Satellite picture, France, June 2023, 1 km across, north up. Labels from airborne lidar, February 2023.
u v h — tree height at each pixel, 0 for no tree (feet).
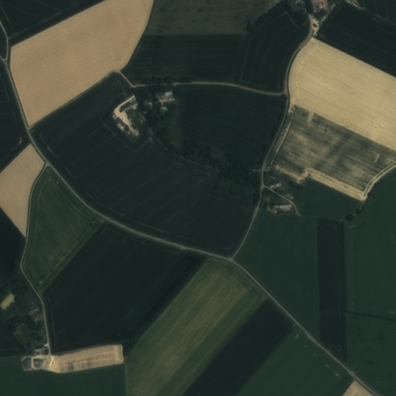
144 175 0
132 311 0
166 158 0
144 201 0
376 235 0
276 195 26
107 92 0
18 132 0
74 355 0
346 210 0
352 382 0
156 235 0
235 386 0
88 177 0
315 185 0
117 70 0
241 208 0
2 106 0
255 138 0
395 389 0
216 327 0
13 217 0
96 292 0
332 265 0
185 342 0
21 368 0
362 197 0
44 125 0
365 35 0
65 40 0
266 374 0
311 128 0
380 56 0
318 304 0
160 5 0
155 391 0
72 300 0
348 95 0
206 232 0
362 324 0
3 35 0
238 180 23
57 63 0
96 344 0
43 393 0
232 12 0
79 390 0
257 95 0
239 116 0
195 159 51
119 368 0
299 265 0
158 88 32
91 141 0
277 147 0
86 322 0
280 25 0
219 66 0
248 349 0
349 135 0
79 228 0
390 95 0
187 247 0
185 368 0
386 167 0
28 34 0
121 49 0
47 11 0
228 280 0
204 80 0
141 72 0
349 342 0
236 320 0
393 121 0
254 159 0
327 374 0
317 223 0
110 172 0
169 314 0
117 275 0
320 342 0
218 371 0
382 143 0
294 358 0
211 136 0
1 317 0
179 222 0
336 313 0
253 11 0
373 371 0
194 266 0
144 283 0
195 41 0
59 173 0
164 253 0
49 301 0
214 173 0
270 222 0
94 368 0
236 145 0
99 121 0
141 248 0
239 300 0
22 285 43
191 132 0
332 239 0
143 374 0
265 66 0
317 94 0
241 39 0
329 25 0
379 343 0
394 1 0
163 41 0
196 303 0
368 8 0
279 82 0
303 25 0
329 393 0
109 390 0
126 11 0
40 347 0
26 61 0
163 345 0
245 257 0
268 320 0
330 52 0
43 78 0
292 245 0
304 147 0
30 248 0
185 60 0
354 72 0
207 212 0
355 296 0
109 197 0
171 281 0
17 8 0
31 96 0
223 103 0
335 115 0
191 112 0
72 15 0
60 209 0
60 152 0
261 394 0
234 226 0
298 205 0
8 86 0
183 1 0
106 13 0
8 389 0
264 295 0
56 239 0
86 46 0
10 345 0
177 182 0
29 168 0
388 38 0
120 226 0
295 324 0
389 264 0
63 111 0
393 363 0
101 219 0
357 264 0
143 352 0
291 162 0
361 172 0
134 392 0
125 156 0
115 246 0
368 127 0
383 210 0
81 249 0
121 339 0
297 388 0
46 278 0
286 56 0
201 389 0
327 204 0
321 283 0
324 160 0
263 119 0
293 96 0
